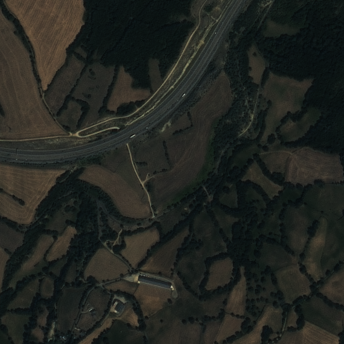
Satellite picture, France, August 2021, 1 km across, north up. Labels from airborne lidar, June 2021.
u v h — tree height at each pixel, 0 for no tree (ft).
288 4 19
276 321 0
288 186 53
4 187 0
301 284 0
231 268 0
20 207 0
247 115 24
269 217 39
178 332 0
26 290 0
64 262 0
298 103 0
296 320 0
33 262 0
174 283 0
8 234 0
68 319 0
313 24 72
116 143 0
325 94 39
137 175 0
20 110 0
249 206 40
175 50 21
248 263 66
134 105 36
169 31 57
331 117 37
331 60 49
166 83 0
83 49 35
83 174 0
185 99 0
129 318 0
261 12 24
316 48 28
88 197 43
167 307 0
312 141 49
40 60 0
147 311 0
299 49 73
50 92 0
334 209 0
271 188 0
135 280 0
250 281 43
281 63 67
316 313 0
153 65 0
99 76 0
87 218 34
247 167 47
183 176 0
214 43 0
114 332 0
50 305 48
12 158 0
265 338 66
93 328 31
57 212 30
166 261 0
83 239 48
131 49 55
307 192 32
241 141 44
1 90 0
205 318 40
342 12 40
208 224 0
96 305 0
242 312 0
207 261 33
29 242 26
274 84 0
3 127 0
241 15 26
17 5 0
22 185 0
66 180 27
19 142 0
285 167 0
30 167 0
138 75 43
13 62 0
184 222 40
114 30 27
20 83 0
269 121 0
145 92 0
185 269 0
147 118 0
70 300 0
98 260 0
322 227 0
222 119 25
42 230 33
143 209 0
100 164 27
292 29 0
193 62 0
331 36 73
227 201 0
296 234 0
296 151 0
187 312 0
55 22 0
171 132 0
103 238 38
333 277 0
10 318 0
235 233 57
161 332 0
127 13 50
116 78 32
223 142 28
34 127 0
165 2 33
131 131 0
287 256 0
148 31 55
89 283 29
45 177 0
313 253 0
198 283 0
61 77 0
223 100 0
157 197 0
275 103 0
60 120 0
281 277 0
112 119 0
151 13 35
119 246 26
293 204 49
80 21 0
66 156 0
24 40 34
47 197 38
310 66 86
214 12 0
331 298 0
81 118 29
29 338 47
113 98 0
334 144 51
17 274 0
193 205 33
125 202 0
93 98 0
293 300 0
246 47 39
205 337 0
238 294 0
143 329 49
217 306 0
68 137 0
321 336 0
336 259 0
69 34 0
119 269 0
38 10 0
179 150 0
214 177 33
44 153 0
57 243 0
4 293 43
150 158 0
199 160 0
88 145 0
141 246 0
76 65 0
